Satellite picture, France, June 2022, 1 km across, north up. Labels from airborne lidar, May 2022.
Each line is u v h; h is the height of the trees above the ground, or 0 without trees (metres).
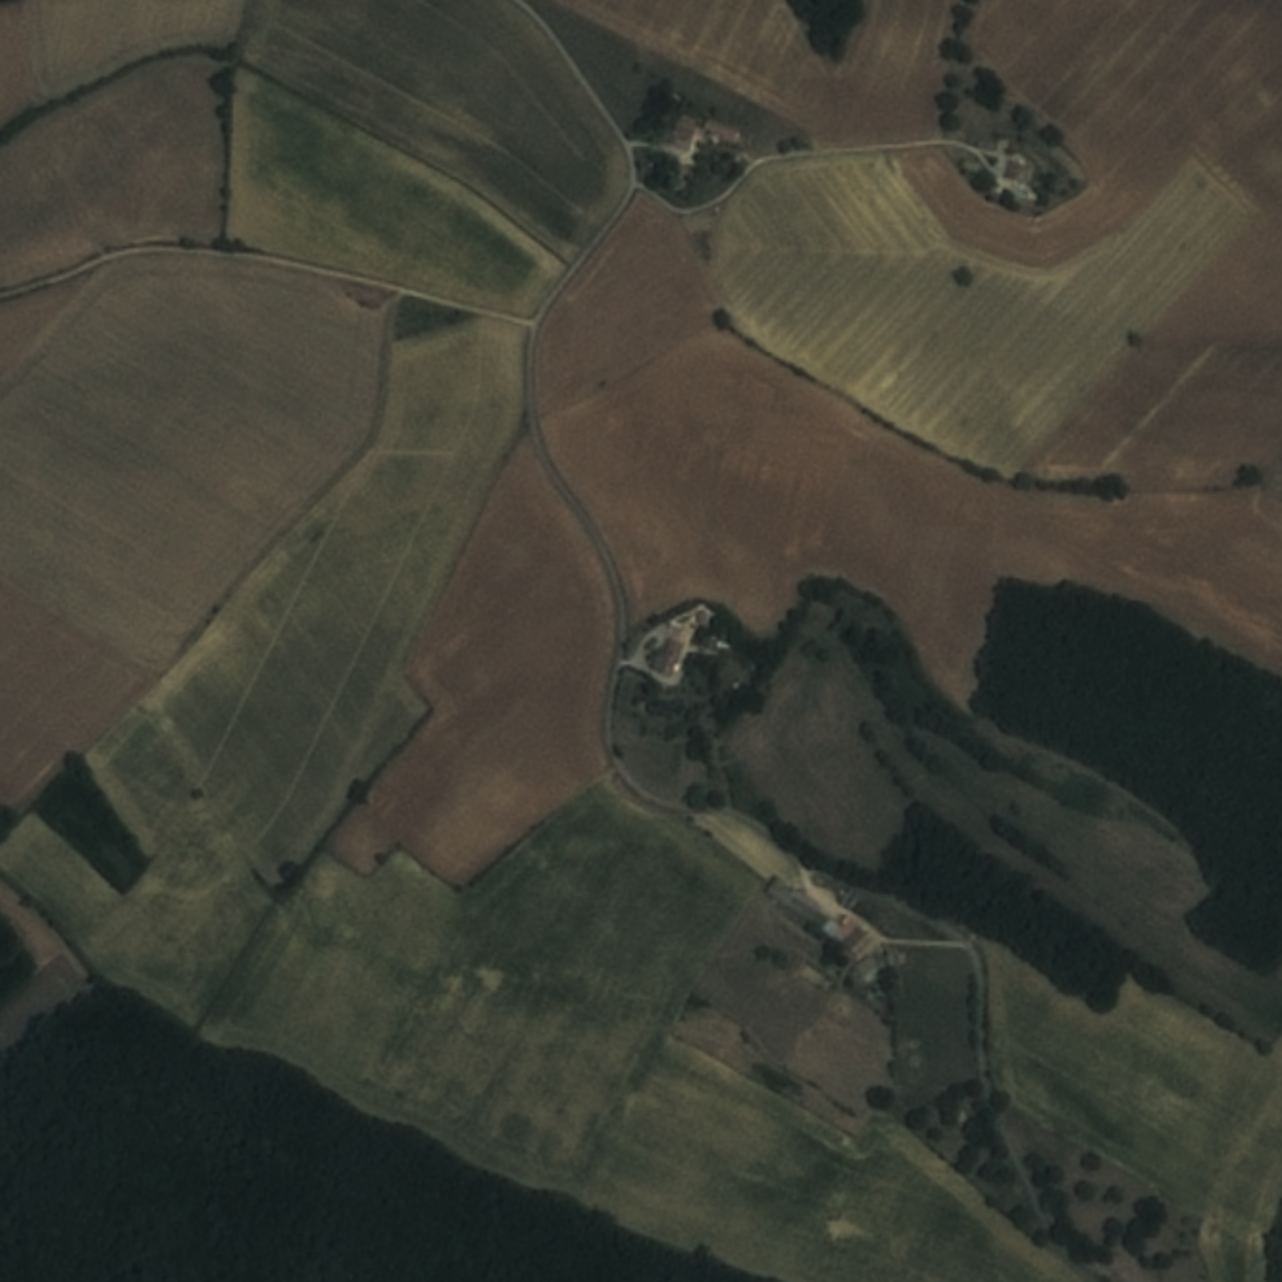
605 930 0
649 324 0
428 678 0
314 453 0
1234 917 18
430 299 0
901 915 0
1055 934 25
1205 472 0
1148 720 17
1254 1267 0
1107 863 0
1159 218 0
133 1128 24
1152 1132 0
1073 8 0
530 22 0
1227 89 0
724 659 0
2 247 0
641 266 0
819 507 0
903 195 0
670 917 0
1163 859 0
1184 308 0
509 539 0
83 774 13
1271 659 0
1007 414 0
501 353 0
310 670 0
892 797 0
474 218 0
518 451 0
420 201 0
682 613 8
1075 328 0
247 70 0
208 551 0
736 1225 0
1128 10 0
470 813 0
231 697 0
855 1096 0
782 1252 0
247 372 0
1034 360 0
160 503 0
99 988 12
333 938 0
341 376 0
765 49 0
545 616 0
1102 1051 0
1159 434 0
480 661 0
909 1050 0
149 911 0
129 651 0
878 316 0
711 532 0
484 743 0
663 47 0
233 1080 26
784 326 0
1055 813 0
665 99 10
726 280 0
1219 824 17
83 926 0
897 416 0
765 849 0
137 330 0
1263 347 0
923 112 0
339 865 0
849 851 0
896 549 0
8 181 0
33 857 0
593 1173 0
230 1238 15
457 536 0
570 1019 0
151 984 0
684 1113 0
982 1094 13
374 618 0
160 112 0
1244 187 0
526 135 0
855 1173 0
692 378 0
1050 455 0
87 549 0
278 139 0
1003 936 19
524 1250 18
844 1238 0
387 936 0
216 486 0
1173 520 0
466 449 0
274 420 0
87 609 0
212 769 0
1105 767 12
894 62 0
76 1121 21
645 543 0
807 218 0
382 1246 20
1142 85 0
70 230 0
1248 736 17
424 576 0
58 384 0
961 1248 0
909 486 0
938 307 0
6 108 0
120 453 0
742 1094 0
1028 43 0
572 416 0
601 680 0
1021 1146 0
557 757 0
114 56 0
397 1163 21
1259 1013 0
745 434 0
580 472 0
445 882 0
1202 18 0
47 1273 13
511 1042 0
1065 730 14
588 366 0
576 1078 0
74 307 0
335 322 0
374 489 0
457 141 0
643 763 0
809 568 0
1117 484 14
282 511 0
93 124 0
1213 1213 0
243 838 0
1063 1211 21
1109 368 0
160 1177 25
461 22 0
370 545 0
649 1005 0
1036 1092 0
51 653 0
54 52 0
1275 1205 0
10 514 0
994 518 0
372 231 0
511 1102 0
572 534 0
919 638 0
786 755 0
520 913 0
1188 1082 0
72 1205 22
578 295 0
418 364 0
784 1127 0
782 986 0
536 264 0
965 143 0
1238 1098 0
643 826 0
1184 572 0
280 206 0
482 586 0
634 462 0
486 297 0
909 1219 0
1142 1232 18
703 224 0
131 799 0
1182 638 15
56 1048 24
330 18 0
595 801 0
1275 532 0
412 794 0
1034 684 14
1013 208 13
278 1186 14
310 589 0
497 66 0
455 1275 9
